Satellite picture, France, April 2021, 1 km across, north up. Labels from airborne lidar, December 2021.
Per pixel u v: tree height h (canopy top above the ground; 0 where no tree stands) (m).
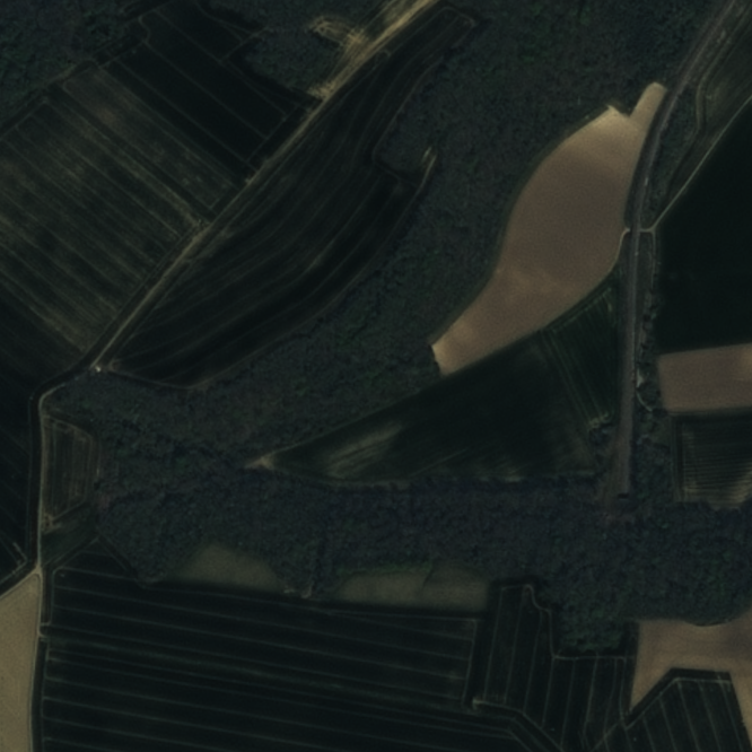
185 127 0
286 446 13
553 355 0
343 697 0
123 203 0
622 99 12
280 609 0
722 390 0
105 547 0
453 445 0
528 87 23
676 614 24
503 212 15
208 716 0
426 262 21
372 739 0
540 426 0
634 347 0
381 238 0
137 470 19
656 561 24
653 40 17
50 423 0
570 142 0
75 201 0
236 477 23
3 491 0
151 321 0
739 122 0
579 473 0
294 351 11
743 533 28
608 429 11
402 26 0
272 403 25
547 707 0
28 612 0
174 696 0
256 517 24
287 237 0
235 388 21
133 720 0
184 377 0
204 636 0
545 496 26
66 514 0
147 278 0
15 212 0
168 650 0
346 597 0
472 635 0
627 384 0
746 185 0
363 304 21
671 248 0
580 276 0
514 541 23
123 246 0
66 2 26
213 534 8
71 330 0
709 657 0
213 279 0
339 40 0
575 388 0
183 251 0
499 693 0
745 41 0
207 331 0
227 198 0
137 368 0
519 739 0
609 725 0
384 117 0
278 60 19
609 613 19
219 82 0
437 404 0
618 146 0
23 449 0
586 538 24
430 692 0
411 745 0
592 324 0
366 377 24
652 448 19
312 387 12
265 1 25
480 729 0
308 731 0
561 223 0
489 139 18
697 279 0
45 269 0
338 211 0
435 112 24
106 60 0
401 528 24
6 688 0
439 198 23
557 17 21
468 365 0
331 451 0
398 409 0
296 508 19
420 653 0
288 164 0
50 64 25
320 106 0
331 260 0
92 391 20
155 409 14
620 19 14
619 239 0
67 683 0
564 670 0
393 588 0
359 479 0
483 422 0
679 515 25
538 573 21
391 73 0
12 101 25
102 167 0
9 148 0
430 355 17
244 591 0
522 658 0
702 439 0
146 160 0
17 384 0
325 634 0
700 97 0
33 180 0
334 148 0
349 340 15
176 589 0
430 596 0
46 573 0
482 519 22
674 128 12
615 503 0
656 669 0
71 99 0
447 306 15
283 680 0
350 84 0
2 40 21
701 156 0
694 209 0
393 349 9
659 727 0
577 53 18
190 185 0
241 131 0
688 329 0
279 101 0
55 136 0
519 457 0
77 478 0
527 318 0
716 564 27
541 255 0
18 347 0
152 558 21
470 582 0
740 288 0
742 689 0
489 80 22
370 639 0
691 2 18
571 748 0
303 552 25
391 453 0
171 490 11
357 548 21
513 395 0
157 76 0
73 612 0
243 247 0
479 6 21
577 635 17
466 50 12
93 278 0
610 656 0
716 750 0
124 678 0
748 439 0
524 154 15
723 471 0
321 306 0
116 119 0
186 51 0
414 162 16
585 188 0
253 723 0
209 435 10
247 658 0
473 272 13
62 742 0
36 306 0
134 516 26
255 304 0
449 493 29
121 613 0
